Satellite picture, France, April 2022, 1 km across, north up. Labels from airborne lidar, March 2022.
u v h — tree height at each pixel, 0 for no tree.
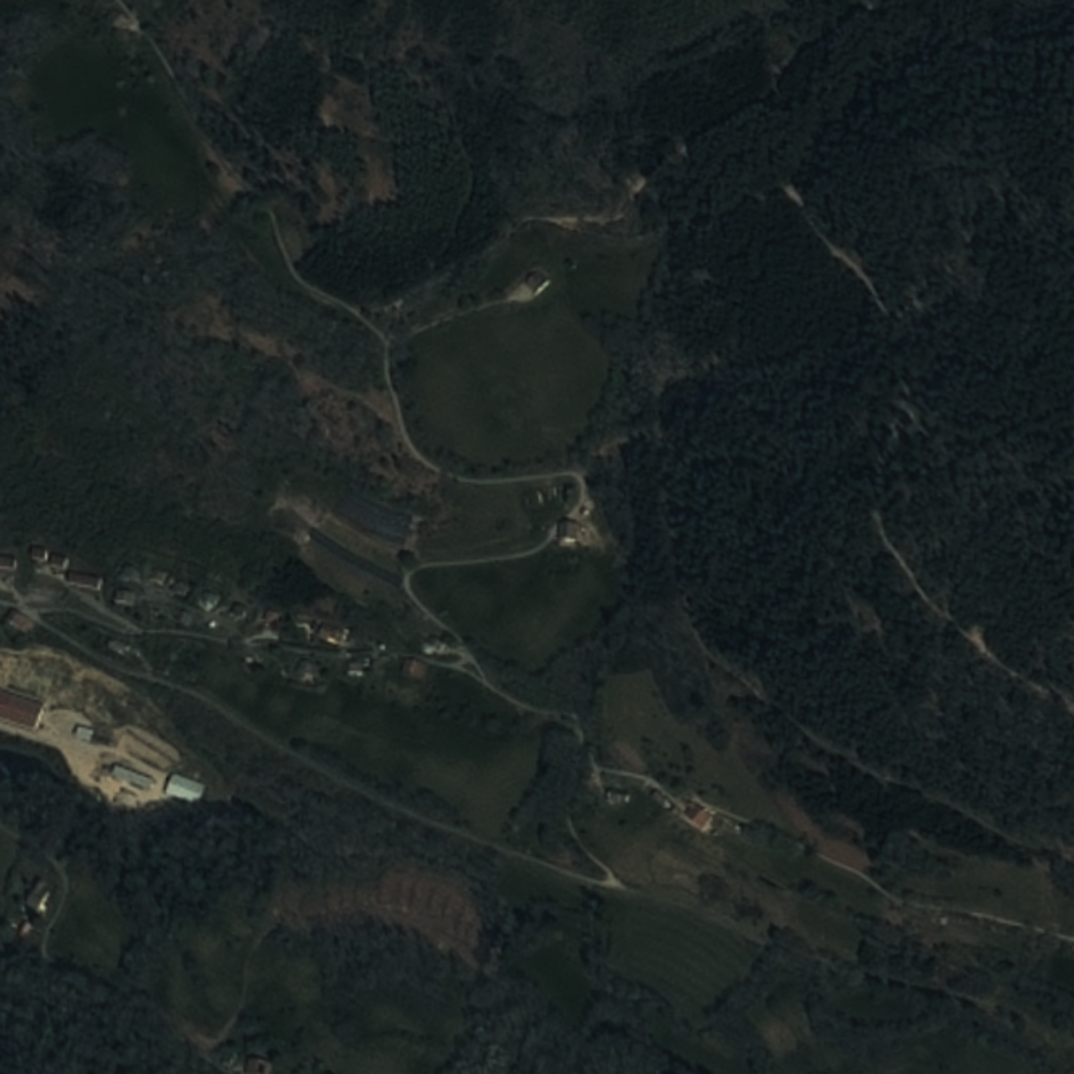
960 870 18
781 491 13
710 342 30
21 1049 19
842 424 26
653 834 0
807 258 19
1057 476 27
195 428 19
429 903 0
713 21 14
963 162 26
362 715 0
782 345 22
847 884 0
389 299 15
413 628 11
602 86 20
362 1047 0
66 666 0
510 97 25
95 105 0
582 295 0
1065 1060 0
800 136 39
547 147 15
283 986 0
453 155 20
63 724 0
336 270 15
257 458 14
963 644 30
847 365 14
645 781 0
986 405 33
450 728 0
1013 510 8
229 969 0
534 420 0
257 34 14
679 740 0
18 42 18
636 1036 21
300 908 0
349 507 0
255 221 19
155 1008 16
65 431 7
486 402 0
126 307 21
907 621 31
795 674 38
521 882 0
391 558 0
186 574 0
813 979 16
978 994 27
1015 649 19
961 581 21
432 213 20
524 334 0
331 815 29
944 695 24
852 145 28
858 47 35
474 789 0
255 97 15
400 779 0
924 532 25
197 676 11
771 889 0
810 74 22
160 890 29
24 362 27
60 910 0
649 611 25
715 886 21
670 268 20
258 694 0
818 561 29
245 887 22
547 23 13
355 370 17
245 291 23
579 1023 0
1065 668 22
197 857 27
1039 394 29
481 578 0
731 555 28
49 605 0
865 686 31
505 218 16
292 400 25
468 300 14
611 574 0
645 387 27
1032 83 31
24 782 33
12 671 0
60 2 0
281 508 0
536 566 0
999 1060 0
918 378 30
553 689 20
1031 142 28
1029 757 18
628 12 11
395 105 18
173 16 0
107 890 21
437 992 17
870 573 32
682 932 0
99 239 20
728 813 0
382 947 27
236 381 12
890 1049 17
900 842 26
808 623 7
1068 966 0
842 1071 0
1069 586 25
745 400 32
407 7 11
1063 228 28
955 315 24
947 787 33
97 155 21
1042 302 22
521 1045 11
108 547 6
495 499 0
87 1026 23
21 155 19
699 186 23
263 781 20
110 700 0
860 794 18
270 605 14
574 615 0
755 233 31
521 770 0
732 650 11
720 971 0
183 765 0
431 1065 0
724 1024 18
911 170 29
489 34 10
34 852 18
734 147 37
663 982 0
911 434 30
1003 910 0
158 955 10
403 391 16
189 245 21
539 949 17
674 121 22
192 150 0
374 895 0
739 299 31
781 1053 0
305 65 14
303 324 21
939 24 17
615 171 18
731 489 30
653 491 24
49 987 23
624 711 0
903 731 28
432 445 18
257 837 34
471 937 0
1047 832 29
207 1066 20
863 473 9
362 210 12
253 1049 9
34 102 0
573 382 0
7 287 0
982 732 21
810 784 14
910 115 24
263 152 19
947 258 24
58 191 12
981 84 32
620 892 0
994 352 28
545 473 15
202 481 0
